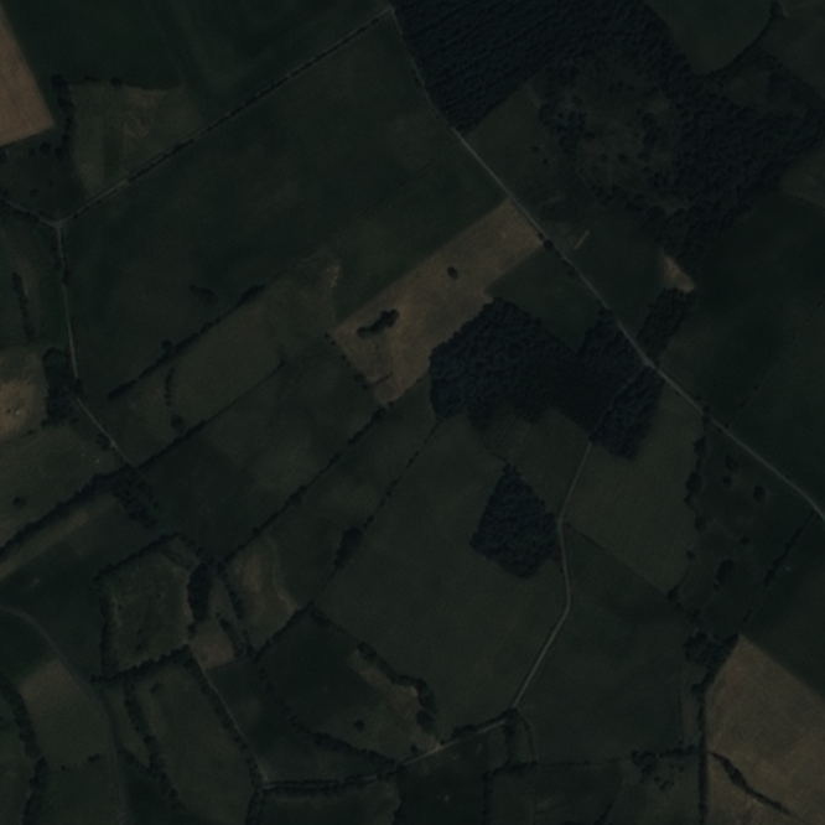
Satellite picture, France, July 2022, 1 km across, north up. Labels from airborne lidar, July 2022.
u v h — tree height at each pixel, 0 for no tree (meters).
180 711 0
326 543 0
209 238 0
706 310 0
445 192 0
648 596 0
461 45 23
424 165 0
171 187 0
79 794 0
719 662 10
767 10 0
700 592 0
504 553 17
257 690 0
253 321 0
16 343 0
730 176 17
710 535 0
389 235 0
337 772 0
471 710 0
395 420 0
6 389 0
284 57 0
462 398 29
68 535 0
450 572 0
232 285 0
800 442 0
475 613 0
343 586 0
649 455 0
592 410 11
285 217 0
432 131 0
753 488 0
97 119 0
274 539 0
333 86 0
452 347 15
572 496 0
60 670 0
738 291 0
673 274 0
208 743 0
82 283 0
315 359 0
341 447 0
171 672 0
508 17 22
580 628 0
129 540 0
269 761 0
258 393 0
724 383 0
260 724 0
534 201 0
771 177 12
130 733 0
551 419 0
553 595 0
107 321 0
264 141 0
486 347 19
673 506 0
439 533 0
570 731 0
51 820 0
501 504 21
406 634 0
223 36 0
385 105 0
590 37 11
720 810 0
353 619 0
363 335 7
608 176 0
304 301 0
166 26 0
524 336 10
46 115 0
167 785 15
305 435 0
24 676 0
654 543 0
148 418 0
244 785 0
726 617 0
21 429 0
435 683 0
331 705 0
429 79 14
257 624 0
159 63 0
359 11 0
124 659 0
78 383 14
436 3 25
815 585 0
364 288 0
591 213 0
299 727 14
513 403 8
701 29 0
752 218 0
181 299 0
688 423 0
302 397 0
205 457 0
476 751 0
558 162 0
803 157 10
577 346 0
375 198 0
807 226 0
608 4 16
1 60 0
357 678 0
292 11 0
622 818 0
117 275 0
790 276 0
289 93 0
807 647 0
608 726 0
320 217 0
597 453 0
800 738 0
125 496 13
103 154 0
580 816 0
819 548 0
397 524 0
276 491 0
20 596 0
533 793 0
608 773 0
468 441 0
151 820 0
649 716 0
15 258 0
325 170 0
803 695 0
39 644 0
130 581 0
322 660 0
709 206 11
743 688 0
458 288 0
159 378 0
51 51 0
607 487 0
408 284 0
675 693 0
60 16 0
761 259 0
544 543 14
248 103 8
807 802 0
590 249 0
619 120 0
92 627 0
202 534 0
